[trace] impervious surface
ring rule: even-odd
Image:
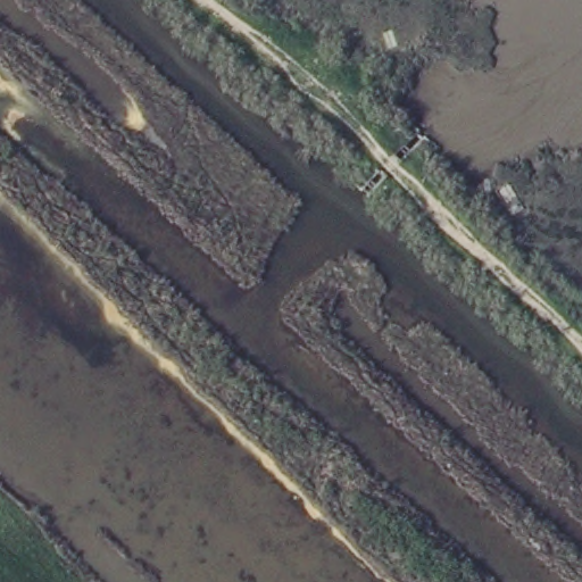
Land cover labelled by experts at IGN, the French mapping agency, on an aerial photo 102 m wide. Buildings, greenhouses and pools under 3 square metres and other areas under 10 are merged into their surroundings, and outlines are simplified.
[[[405,161],[414,150],[425,152],[427,139],[423,134],[418,134],[414,148],[405,143],[393,155],[400,161]]]
[[[359,189],[366,196],[382,180],[393,177],[389,168],[380,164],[377,171],[368,177]]]

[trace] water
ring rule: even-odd
[[[86,57],[68,41],[64,41],[45,25],[41,25],[34,14],[23,11],[16,5],[16,0],[0,0],[0,11],[7,14],[14,25],[23,27],[18,36],[32,43],[39,55],[43,55],[57,70],[61,70],[61,75],[84,93],[89,105],[100,100],[120,120],[127,120],[130,98],[120,89],[120,84],[114,82],[91,57]]]
[[[359,557],[355,557],[332,534],[327,523],[311,518],[302,500],[296,498],[248,448],[243,448],[221,425],[218,416],[207,407],[182,384],[173,380],[141,348],[136,348],[130,341],[130,336],[125,336],[114,323],[107,321],[100,298],[73,273],[73,268],[68,268],[57,255],[50,255],[45,248],[41,248],[36,239],[25,234],[25,230],[9,214],[0,209],[0,489],[7,496],[11,496],[18,505],[23,505],[27,512],[39,514],[45,534],[64,550],[64,555],[73,564],[77,564],[82,573],[89,573],[95,582],[384,582],[373,573],[373,568],[368,568]]]
[[[384,334],[393,325],[400,330],[414,330],[425,325],[443,334],[446,341],[466,361],[475,364],[487,375],[491,386],[512,409],[523,411],[530,432],[550,441],[557,457],[562,457],[575,475],[582,477],[582,402],[573,405],[550,375],[543,375],[537,368],[537,355],[532,348],[514,346],[505,334],[496,330],[491,318],[477,314],[471,300],[457,293],[450,284],[441,282],[434,273],[430,273],[425,268],[423,257],[414,255],[414,250],[402,241],[400,227],[380,227],[375,218],[368,214],[366,196],[359,189],[339,180],[327,161],[305,157],[302,146],[293,136],[293,130],[273,130],[273,125],[266,118],[246,109],[241,100],[234,100],[230,93],[225,93],[221,89],[216,70],[209,66],[209,59],[200,59],[186,52],[182,43],[173,36],[171,27],[164,23],[161,14],[148,11],[143,7],[143,0],[80,0],[102,20],[102,25],[107,25],[118,39],[130,43],[130,48],[139,57],[143,57],[143,61],[150,64],[171,86],[180,89],[200,114],[211,118],[218,130],[234,139],[234,143],[241,146],[259,164],[259,168],[264,168],[271,175],[273,182],[293,193],[298,198],[298,209],[277,232],[255,284],[241,286],[234,277],[225,273],[225,268],[218,261],[214,261],[202,248],[191,243],[186,234],[173,221],[168,221],[164,211],[155,202],[150,202],[134,184],[130,184],[93,146],[82,141],[68,125],[59,123],[45,107],[34,118],[25,116],[16,120],[16,130],[20,132],[18,141],[23,148],[30,150],[32,157],[36,157],[48,171],[55,173],[52,182],[64,191],[64,196],[70,198],[70,202],[77,202],[82,209],[91,211],[95,223],[107,227],[109,234],[118,236],[159,284],[166,284],[173,296],[184,298],[209,325],[209,332],[216,334],[223,343],[227,343],[241,361],[261,373],[264,382],[273,391],[291,400],[291,405],[305,411],[307,418],[316,423],[325,434],[341,441],[350,452],[352,462],[361,466],[371,477],[384,482],[393,496],[409,500],[416,512],[430,516],[432,523],[439,523],[457,541],[466,543],[466,548],[475,557],[484,559],[491,568],[496,568],[496,573],[505,582],[566,582],[557,571],[543,564],[518,537],[514,537],[514,532],[498,516],[484,509],[466,489],[462,489],[425,450],[411,443],[396,425],[391,425],[364,393],[359,393],[352,386],[352,382],[346,375],[334,371],[311,346],[307,346],[307,341],[296,330],[291,330],[284,323],[284,298],[293,293],[302,282],[307,282],[316,271],[332,261],[341,261],[348,255],[366,259],[384,282],[380,307],[384,311],[384,318],[377,323],[375,330],[371,330],[364,316],[352,307],[343,286],[339,286],[332,296],[332,309],[339,323],[341,341],[366,361],[375,384],[391,386],[402,396],[405,405],[414,405],[421,416],[432,418],[439,425],[439,430],[450,439],[450,446],[464,448],[482,466],[484,475],[500,482],[514,502],[518,502],[523,509],[532,514],[534,523],[543,523],[562,543],[571,546],[582,557],[582,516],[571,518],[557,500],[546,496],[518,466],[507,466],[500,457],[496,457],[491,448],[484,446],[475,427],[468,421],[464,421],[446,398],[437,396],[416,371],[411,371],[400,359],[398,350],[393,350],[384,341]]]

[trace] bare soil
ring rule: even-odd
[[[0,123],[7,130],[7,134],[18,141],[20,132],[16,130],[16,120],[25,116],[34,118],[45,107],[36,98],[20,91],[9,68],[5,68],[0,61]]]
[[[166,357],[152,339],[143,336],[141,330],[132,323],[132,318],[120,314],[118,305],[107,296],[107,291],[100,289],[66,250],[61,250],[45,234],[45,230],[23,207],[18,207],[11,198],[5,198],[5,193],[0,193],[0,209],[9,214],[25,230],[25,234],[36,239],[41,248],[45,248],[50,255],[57,255],[68,268],[73,268],[73,273],[100,298],[107,321],[114,323],[125,336],[130,336],[130,341],[136,348],[141,348],[173,380],[182,384],[186,380],[186,373],[182,371],[182,366]]]
[[[155,130],[143,120],[136,93],[130,98],[127,120],[130,127],[143,132],[148,141],[155,134]]]
[[[368,568],[373,568],[373,573],[384,582],[396,582],[377,562],[368,559],[357,548],[352,537],[348,537],[330,518],[330,514],[325,514],[321,507],[311,502],[309,493],[296,480],[291,480],[255,439],[250,439],[230,418],[230,414],[221,405],[209,400],[207,407],[218,416],[221,425],[243,448],[248,448],[296,498],[302,500],[311,518],[327,523],[332,534],[355,557],[359,557]]]
[[[498,64],[491,70],[457,70],[455,59],[446,57],[441,64],[423,70],[418,82],[418,100],[425,105],[427,111],[423,123],[434,130],[434,134],[450,152],[468,157],[475,171],[482,171],[489,161],[496,159],[525,159],[530,150],[543,146],[577,146],[582,150],[582,0],[471,0],[475,7],[493,5],[498,9]]]

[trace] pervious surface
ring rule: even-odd
[[[402,184],[402,189],[421,196],[427,202],[427,209],[434,214],[439,227],[452,241],[457,241],[464,250],[482,259],[484,266],[491,268],[502,284],[512,286],[525,305],[530,305],[537,314],[548,318],[575,350],[582,350],[582,334],[532,284],[523,282],[507,261],[498,259],[491,250],[480,246],[466,230],[466,225],[448,207],[443,207],[432,196],[432,191],[425,189],[425,184],[414,173],[409,173],[400,161],[393,155],[380,146],[373,132],[361,130],[359,134],[368,152],[380,164],[389,168],[393,177],[398,184]]]
[[[341,91],[300,68],[293,68],[289,73],[289,80],[298,84],[302,91],[307,91],[314,105],[341,116],[348,111],[348,107],[341,98]]]
[[[227,23],[234,32],[243,34],[266,61],[273,61],[275,66],[289,70],[293,66],[293,57],[286,50],[282,50],[271,36],[241,20],[234,11],[230,11],[230,0],[196,0],[200,7],[209,9],[214,16]]]

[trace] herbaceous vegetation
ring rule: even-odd
[[[18,36],[23,27],[14,25],[7,14],[0,11],[0,61],[5,68],[9,68],[20,91],[36,98],[45,107],[59,123],[68,125],[82,141],[93,146],[130,184],[134,184],[150,202],[155,202],[164,211],[168,221],[173,221],[186,234],[191,243],[202,248],[214,261],[218,261],[225,268],[225,273],[234,277],[241,286],[255,284],[277,232],[298,209],[298,198],[293,193],[273,182],[271,175],[264,168],[259,168],[259,164],[241,146],[234,143],[234,139],[218,130],[211,118],[200,114],[180,89],[171,86],[150,64],[143,61],[143,57],[139,57],[130,48],[130,43],[118,39],[107,25],[102,25],[102,20],[80,0],[16,0],[16,5],[23,11],[34,14],[41,25],[45,25],[64,41],[68,41],[86,57],[91,57],[114,82],[120,84],[120,89],[130,98],[136,93],[143,120],[155,130],[155,134],[148,141],[143,132],[130,127],[127,120],[120,120],[100,100],[89,105],[84,93],[61,75],[61,70],[57,70],[43,55],[39,55],[32,43]]]
[[[95,582],[89,573],[82,573],[77,564],[73,564],[64,555],[64,550],[45,534],[39,514],[27,512],[23,505],[18,505],[11,496],[7,496],[0,489],[0,582]]]
[[[366,173],[368,177],[377,171],[380,164],[368,152],[355,161],[355,171]]]
[[[443,207],[448,207],[466,225],[466,230],[480,246],[491,250],[496,248],[496,243],[484,239],[471,225],[471,218],[464,211],[455,209],[452,198],[441,189],[439,180],[430,173],[430,157],[425,152],[414,150],[405,161],[400,161],[409,173],[414,173],[425,184],[425,189],[432,191],[432,196]]]
[[[271,16],[255,16],[239,9],[234,11],[241,20],[271,36],[282,50],[286,50],[293,57],[293,66],[289,70],[289,73],[293,68],[300,68],[341,91],[341,98],[348,107],[348,111],[341,116],[359,134],[361,130],[373,132],[380,146],[393,155],[405,143],[407,127],[402,123],[389,120],[380,107],[371,102],[373,68],[361,61],[361,57],[355,55],[348,61],[334,61],[325,52],[323,43],[307,34],[289,32]]]

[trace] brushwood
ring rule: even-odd
[[[70,198],[64,196],[64,191],[52,182],[55,173],[48,171],[36,157],[32,157],[30,150],[23,148],[18,141],[7,134],[7,130],[0,123],[0,193],[5,193],[5,198],[11,198],[18,207],[23,207],[45,230],[45,234],[61,250],[66,250],[100,289],[107,291],[107,296],[118,305],[120,314],[132,318],[132,323],[141,330],[143,336],[152,339],[166,357],[182,366],[182,371],[186,373],[186,380],[182,384],[207,407],[209,400],[221,405],[230,414],[230,418],[250,439],[255,439],[291,480],[296,480],[309,493],[311,502],[321,507],[325,514],[330,514],[330,518],[348,537],[352,537],[357,548],[368,559],[377,562],[396,582],[505,582],[496,573],[496,568],[491,568],[484,559],[475,557],[466,548],[466,543],[457,541],[439,523],[432,523],[430,516],[416,512],[409,500],[393,496],[384,482],[371,477],[361,466],[352,462],[350,452],[341,441],[325,434],[316,423],[307,418],[305,411],[291,405],[291,400],[273,391],[264,382],[261,373],[241,361],[227,343],[223,343],[216,334],[209,332],[209,325],[184,298],[173,296],[166,284],[159,284],[118,236],[109,234],[107,227],[95,223],[91,211],[82,209],[77,202],[70,202]]]
[[[464,250],[457,241],[452,241],[439,227],[434,214],[427,209],[427,202],[421,196],[402,189],[402,184],[398,184],[393,177],[382,180],[366,196],[368,214],[375,218],[380,227],[400,227],[402,241],[414,250],[414,255],[423,257],[425,268],[430,273],[434,273],[441,282],[450,284],[457,293],[471,300],[477,314],[491,318],[496,330],[505,334],[514,346],[532,348],[537,355],[537,368],[543,375],[550,375],[573,405],[582,402],[582,350],[575,350],[548,318],[537,314],[530,305],[525,305],[512,286],[502,284],[491,268],[484,266],[482,259]]]
[[[571,546],[562,543],[543,523],[534,523],[532,514],[523,509],[518,502],[514,502],[500,482],[484,475],[482,466],[464,448],[450,446],[450,439],[439,430],[439,425],[432,418],[421,416],[414,405],[405,405],[402,396],[391,386],[375,384],[366,361],[341,341],[339,323],[332,309],[332,296],[339,286],[343,286],[352,307],[364,316],[371,330],[375,330],[377,323],[384,318],[384,311],[380,307],[384,282],[366,259],[348,255],[341,261],[332,261],[316,271],[307,282],[302,282],[293,293],[284,298],[284,323],[291,330],[296,330],[307,341],[307,346],[311,346],[334,371],[346,375],[352,382],[352,386],[359,393],[364,393],[391,425],[396,425],[411,443],[425,450],[462,489],[466,489],[484,509],[498,516],[514,532],[514,537],[518,537],[543,564],[557,571],[566,582],[582,582],[582,557]]]
[[[298,84],[289,80],[289,73],[289,70],[275,66],[273,61],[266,61],[243,34],[234,32],[227,23],[214,16],[209,9],[200,7],[196,0],[143,0],[143,7],[148,11],[161,14],[164,23],[171,27],[173,36],[182,43],[186,52],[200,59],[209,59],[209,66],[216,70],[221,89],[225,93],[230,93],[234,100],[241,100],[246,109],[266,118],[273,125],[273,130],[293,130],[293,136],[302,146],[305,157],[327,161],[339,180],[359,189],[368,177],[366,173],[355,171],[355,161],[368,152],[359,134],[341,116],[314,105],[307,91],[302,91]]]
[[[400,359],[411,371],[416,371],[437,396],[446,398],[464,421],[468,421],[475,427],[484,446],[491,448],[496,457],[500,457],[507,466],[518,466],[546,496],[557,500],[571,518],[582,516],[582,477],[575,475],[562,457],[557,457],[550,441],[530,432],[523,411],[512,409],[491,386],[487,375],[475,364],[466,361],[446,341],[443,334],[425,325],[414,330],[400,330],[393,325],[384,334],[384,341],[393,350],[398,350]]]
[[[434,134],[434,130],[423,123],[427,111],[425,105],[418,100],[418,82],[423,70],[441,64],[446,57],[455,59],[457,70],[491,70],[498,64],[498,9],[493,5],[475,7],[471,0],[230,0],[230,11],[234,11],[239,9],[255,16],[271,16],[289,32],[307,34],[323,43],[325,52],[334,61],[348,61],[355,55],[361,57],[361,61],[373,68],[371,102],[380,107],[389,120],[402,123],[407,127],[405,143],[414,148],[418,134],[423,134],[427,139],[425,152],[430,157],[430,173],[439,180],[441,189],[452,198],[455,209],[464,211],[471,218],[471,225],[484,239],[496,243],[496,248],[491,250],[498,259],[507,261],[523,282],[532,284],[582,334],[582,150],[577,146],[543,146],[530,150],[525,159],[496,159],[489,161],[482,171],[475,171],[468,157],[450,152]]]

